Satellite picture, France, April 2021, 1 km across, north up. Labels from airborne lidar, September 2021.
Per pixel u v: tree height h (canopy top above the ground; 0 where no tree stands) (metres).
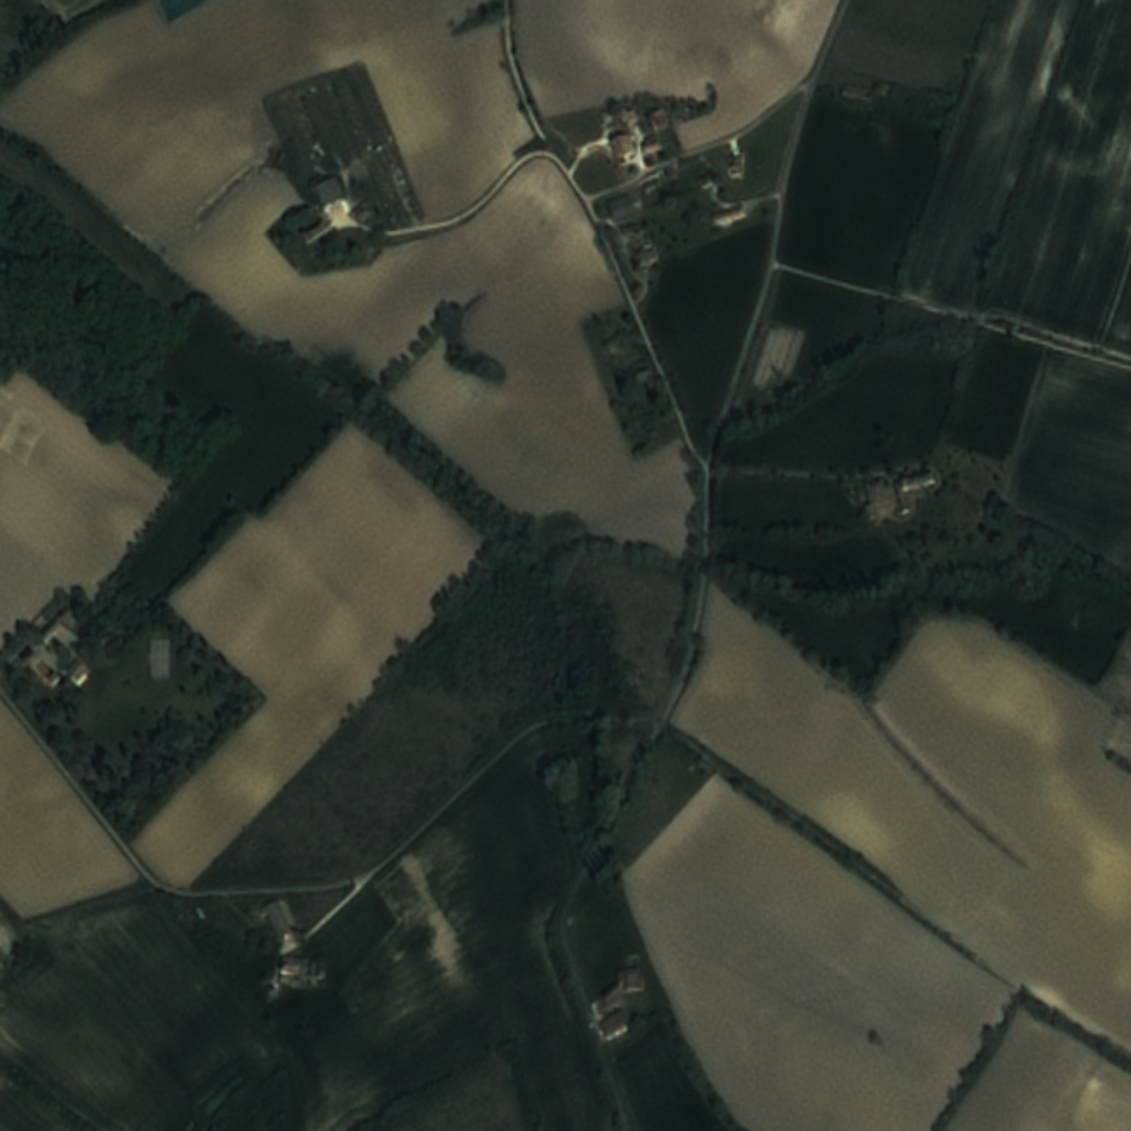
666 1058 0
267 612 0
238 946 0
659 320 0
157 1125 0
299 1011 0
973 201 0
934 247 0
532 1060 0
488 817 0
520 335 0
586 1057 0
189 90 0
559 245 0
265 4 0
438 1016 0
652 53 0
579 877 0
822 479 6
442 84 0
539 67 0
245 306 0
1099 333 0
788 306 0
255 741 0
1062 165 0
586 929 0
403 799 0
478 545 0
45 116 0
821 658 15
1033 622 0
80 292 21
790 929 0
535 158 0
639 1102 0
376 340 0
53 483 0
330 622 0
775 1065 0
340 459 0
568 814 14
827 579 0
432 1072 0
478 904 0
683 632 11
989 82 0
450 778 0
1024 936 0
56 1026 0
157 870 0
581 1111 0
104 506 0
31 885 0
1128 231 0
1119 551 0
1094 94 0
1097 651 0
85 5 0
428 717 0
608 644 10
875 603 21
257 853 0
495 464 0
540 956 0
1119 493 0
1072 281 0
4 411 0
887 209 0
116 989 0
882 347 10
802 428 0
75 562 0
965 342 15
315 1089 0
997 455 0
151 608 6
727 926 0
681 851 0
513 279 0
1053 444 0
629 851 0
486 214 0
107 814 13
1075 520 0
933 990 0
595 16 0
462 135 0
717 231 7
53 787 0
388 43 0
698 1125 0
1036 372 0
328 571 0
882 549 0
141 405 21
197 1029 0
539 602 8
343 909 0
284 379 0
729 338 0
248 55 0
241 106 0
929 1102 0
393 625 0
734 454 0
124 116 0
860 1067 0
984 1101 0
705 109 10
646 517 0
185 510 0
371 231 0
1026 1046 0
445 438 0
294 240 13
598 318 9
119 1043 0
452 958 0
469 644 6
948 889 0
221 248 0
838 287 0
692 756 8
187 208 0
